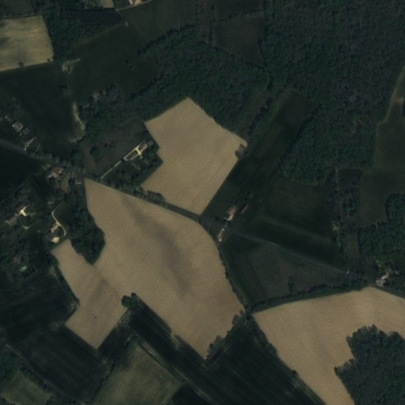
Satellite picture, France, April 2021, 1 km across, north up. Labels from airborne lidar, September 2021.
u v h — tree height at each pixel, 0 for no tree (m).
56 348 0
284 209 0
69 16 16
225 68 19
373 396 23
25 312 0
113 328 0
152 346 0
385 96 18
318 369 0
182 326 0
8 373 28
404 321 0
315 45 12
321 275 0
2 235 6
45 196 0
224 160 0
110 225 0
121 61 0
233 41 0
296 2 9
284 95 17
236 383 0
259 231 0
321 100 27
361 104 24
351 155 24
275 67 25
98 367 0
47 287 0
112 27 12
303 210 0
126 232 0
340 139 23
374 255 21
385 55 21
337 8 13
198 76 26
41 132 0
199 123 0
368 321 0
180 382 0
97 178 18
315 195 0
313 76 29
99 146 0
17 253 14
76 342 0
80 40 25
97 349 0
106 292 0
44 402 0
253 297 0
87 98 0
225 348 0
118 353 0
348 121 24
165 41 20
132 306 16
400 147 0
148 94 18
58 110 0
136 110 21
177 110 0
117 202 0
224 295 0
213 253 0
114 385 0
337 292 16
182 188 0
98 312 0
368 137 22
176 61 23
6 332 0
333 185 22
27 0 0
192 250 0
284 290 0
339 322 0
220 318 0
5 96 0
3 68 0
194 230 0
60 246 0
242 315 16
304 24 11
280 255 0
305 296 14
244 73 21
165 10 0
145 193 23
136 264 0
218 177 0
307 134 23
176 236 0
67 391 0
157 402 0
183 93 25
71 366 0
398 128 0
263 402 0
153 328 0
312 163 23
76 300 11
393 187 0
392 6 18
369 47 19
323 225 0
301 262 0
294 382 0
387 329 0
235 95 23
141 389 0
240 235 0
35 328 0
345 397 0
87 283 0
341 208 9
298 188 0
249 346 0
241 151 13
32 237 0
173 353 0
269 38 24
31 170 0
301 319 0
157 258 0
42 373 0
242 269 0
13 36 0
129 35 0
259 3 0
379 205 0
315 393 0
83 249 24
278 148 0
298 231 0
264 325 0
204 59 21
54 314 0
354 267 16
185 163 0
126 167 0
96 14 16
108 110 25
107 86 0
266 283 0
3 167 0
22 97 0
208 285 0
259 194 0
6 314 0
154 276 0
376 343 23
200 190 0
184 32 17
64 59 21
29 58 0
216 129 0
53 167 0
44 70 0
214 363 0
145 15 0
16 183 0
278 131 0
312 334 0
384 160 0
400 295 0
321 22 13
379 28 16
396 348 22
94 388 0
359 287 23
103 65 0
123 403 0
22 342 0
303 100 0
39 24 0
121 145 0
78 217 26
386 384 23
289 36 11
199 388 0
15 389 0
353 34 7
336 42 22
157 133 0
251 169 0
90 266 14
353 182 6
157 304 0
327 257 0
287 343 0
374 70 12
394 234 24
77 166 17
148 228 0
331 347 0
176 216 0
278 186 0
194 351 0
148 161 15
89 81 0
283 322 0
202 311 0
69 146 0
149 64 0
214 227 0
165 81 16
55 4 17
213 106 26
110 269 0
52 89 0
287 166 21
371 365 22
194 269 0
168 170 0
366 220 0
